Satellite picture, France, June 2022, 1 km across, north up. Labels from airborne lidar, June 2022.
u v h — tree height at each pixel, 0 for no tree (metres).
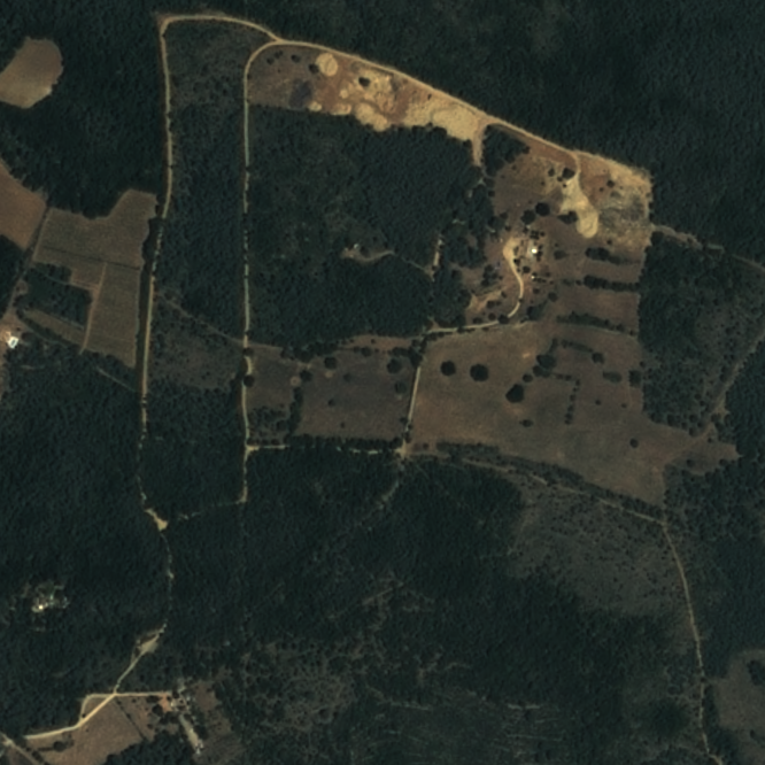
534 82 9
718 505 11
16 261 6
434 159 18
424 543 10
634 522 6
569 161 0
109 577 10
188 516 10
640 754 9
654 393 8
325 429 0
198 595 8
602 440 0
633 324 0
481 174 14
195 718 7
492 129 12
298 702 13
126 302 0
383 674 9
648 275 12
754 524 10
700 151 14
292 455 14
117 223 0
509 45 8
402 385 9
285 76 0
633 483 0
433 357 0
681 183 15
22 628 8
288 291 11
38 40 9
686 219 14
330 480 9
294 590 9
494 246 0
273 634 11
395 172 19
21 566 12
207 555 12
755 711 0
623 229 0
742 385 10
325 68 0
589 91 16
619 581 9
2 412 12
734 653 9
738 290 6
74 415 12
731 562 15
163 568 17
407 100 0
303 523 11
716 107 18
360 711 7
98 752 0
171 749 13
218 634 13
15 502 18
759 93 16
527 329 0
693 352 10
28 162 16
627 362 0
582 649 9
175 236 10
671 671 9
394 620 7
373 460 10
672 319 9
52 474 17
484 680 6
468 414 0
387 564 12
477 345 0
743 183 14
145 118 12
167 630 9
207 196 17
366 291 8
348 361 0
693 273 7
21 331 10
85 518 12
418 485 9
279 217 9
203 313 11
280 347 10
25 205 0
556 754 12
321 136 13
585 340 0
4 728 18
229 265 17
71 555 12
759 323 8
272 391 0
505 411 0
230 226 18
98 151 16
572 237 0
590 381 0
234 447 12
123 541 16
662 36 18
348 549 11
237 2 11
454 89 11
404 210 18
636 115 8
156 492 13
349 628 8
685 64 7
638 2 14
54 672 8
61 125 12
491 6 10
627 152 17
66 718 20
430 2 10
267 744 9
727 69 17
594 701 7
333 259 12
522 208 0
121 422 17
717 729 13
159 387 11
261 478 13
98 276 0
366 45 9
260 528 13
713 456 0
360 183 15
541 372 10
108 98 8
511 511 7
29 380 13
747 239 14
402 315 14
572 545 0
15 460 15
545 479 7
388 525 6
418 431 0
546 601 11
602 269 0
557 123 10
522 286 0
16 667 16
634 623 8
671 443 0
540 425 0
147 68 9
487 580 6
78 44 11
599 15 9
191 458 7
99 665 9
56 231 0
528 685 7
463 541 10
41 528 18
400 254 15
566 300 0
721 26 17
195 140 9
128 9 14
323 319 9
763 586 11
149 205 0
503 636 10
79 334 0
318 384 0
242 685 6
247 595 9
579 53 12
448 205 12
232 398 8
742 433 11
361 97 0
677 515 7
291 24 15
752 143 16
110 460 15
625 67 15
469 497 10
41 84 0
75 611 15
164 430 14
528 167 0
